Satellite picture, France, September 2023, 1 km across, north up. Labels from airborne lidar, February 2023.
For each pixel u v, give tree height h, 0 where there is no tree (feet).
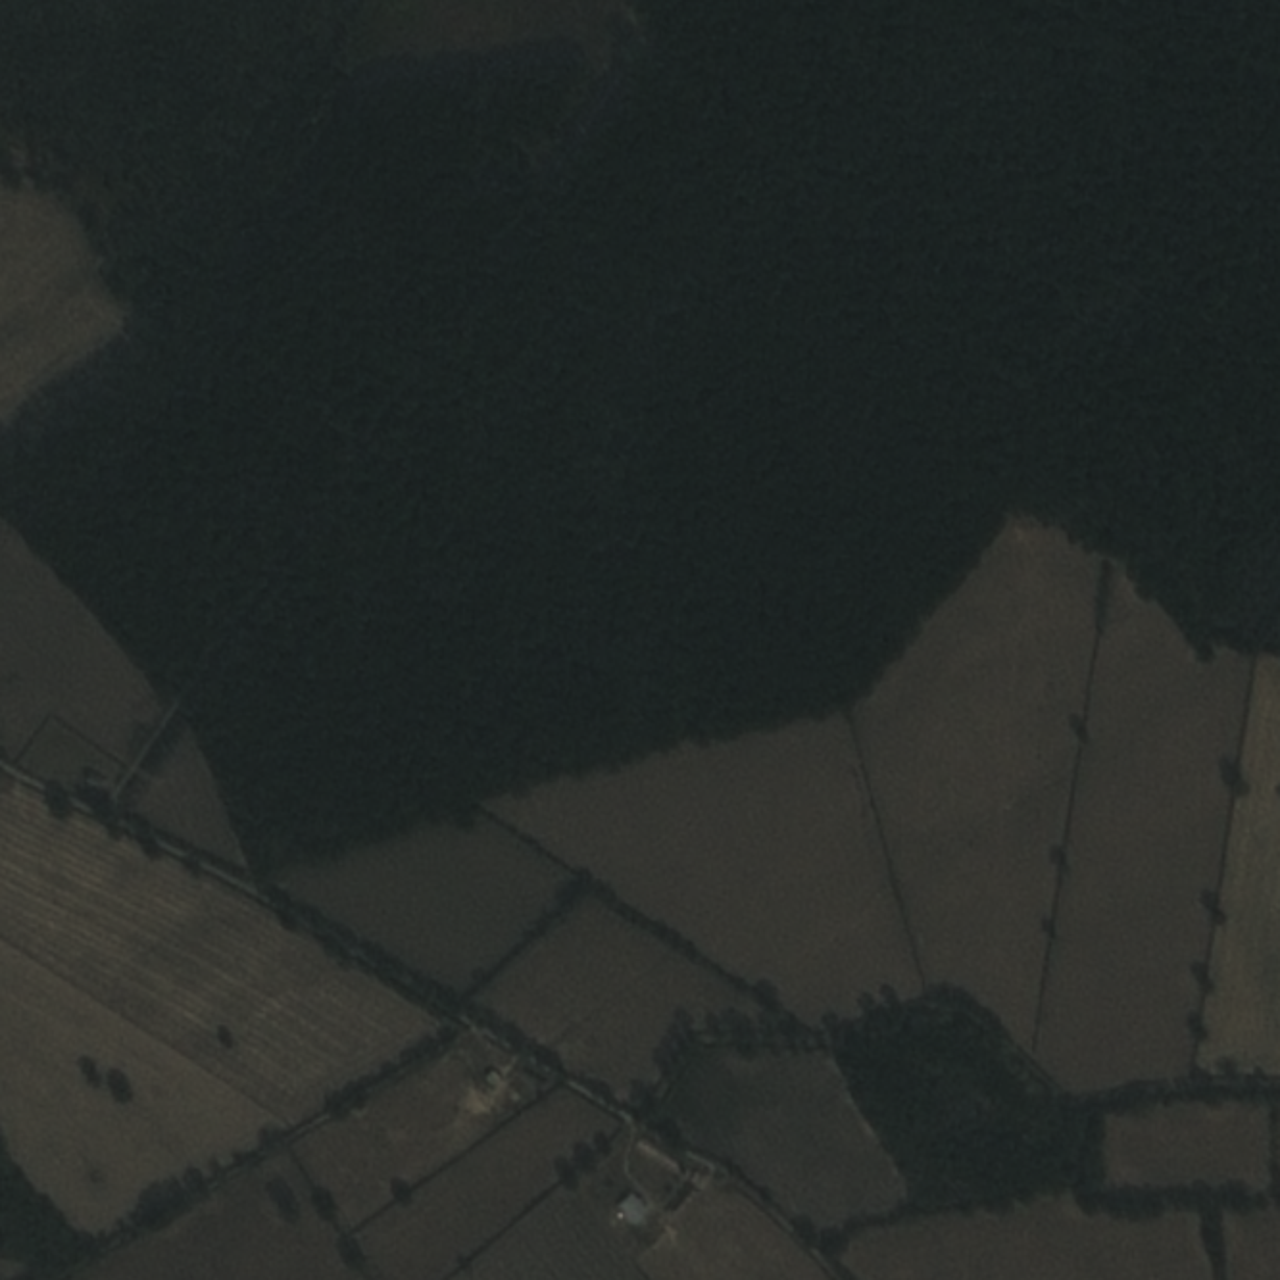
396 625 71
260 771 74
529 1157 0
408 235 71
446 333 70
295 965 0
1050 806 0
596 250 74
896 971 0
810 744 0
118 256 54
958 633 0
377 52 0
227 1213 0
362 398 68
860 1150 0
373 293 67
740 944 0
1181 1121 0
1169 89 57
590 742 75
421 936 0
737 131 80
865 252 81
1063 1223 0
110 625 58
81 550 66
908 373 78
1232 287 62
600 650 75
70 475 65
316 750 86
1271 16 69
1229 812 0
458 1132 0
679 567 68
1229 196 71
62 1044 0
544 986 0
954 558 76
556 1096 0
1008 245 79
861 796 0
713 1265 0
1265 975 0
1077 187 75
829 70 75
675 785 0
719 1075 0
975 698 0
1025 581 0
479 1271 0
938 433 85
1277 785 0
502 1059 0
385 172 84
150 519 70
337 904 0
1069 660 0
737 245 74
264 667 74
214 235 53
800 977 0
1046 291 82
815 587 79
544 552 74
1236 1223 0
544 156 0
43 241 0
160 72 42
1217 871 0
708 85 78
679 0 75
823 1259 28
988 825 0
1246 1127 0
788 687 80
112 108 51
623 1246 0
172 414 69
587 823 0
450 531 71
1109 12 52
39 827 0
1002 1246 0
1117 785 0
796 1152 0
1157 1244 0
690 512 75
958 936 0
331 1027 0
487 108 81
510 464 59
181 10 43
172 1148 0
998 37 71
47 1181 0
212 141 54
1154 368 74
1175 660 0
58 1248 18
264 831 69
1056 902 0
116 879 0
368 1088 27
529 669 86
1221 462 72
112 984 0
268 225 54
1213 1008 0
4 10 48
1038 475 52
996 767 0
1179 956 0
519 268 63
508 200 76
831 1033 57
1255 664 0
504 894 0
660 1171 0
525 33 0
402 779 84
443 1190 0
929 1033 35
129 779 0
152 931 0
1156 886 0
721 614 82
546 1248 0
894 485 78
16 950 0
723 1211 0
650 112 78
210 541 67
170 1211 57
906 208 81
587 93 0
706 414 75
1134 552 61
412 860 0
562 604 69
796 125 73
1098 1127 45
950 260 85
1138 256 76
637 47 70
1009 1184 40
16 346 0
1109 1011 0
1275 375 66
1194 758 0
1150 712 0
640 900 0
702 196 73
